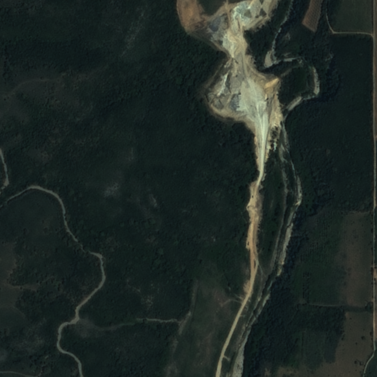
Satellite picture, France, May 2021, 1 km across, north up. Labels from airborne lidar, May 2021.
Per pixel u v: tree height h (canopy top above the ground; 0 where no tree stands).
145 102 7
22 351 12
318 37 6
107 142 5
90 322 0
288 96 14
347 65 8
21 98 7
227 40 0
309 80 7
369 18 0
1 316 0
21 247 8
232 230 9
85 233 6
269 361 7
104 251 8
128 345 6
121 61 8
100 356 6
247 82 0
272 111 0
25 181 13
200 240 10
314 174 15
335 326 9
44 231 6
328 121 6
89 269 7
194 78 8
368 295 0
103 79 8
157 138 6
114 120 6
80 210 8
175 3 7
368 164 6
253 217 0
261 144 0
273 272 5
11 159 11
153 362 7
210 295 0
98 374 6
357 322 0
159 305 7
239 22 0
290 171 6
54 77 0
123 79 6
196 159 9
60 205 7
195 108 14
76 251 11
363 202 10
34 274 7
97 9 6
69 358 7
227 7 0
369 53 7
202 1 0
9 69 9
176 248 10
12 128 11
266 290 10
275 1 0
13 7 7
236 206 9
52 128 8
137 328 7
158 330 12
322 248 9
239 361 0
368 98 7
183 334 0
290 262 8
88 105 6
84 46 9
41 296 9
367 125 6
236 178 13
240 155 15
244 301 0
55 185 10
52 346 9
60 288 13
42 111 5
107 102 11
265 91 0
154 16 6
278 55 9
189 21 0
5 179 8
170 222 13
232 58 0
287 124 10
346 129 6
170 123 7
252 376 7
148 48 6
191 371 0
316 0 0
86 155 9
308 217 7
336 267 0
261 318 15
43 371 11
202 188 6
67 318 10
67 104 7
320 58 15
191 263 11
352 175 7
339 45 8
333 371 0
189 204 9
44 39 6
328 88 13
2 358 0
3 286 0
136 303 7
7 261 0
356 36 7
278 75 6
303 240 16
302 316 8
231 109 0
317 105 5
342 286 0
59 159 6
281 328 9
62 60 6
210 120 16
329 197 9
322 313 9
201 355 0
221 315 0
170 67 13
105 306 6
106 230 7
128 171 6
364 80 7
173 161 7
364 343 0
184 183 9
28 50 9
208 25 0
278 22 14
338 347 0
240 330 0
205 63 18
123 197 5
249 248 0
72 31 6
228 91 0
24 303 10
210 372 0
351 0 0
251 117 0
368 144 7
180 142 7
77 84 7
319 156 8
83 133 9
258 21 0
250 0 0
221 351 0
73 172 5
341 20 0
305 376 0
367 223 0
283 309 9
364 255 0
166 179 6
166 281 7
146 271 8
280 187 13
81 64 8
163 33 12
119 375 9
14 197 6
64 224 8
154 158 6
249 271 0
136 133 7
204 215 7
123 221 8
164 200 7
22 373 0
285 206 0
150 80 11
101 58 10
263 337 8
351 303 0
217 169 11
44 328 6
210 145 10
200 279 0
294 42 7
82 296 7
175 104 8
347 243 0
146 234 8
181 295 8
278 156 9
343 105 6
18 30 6
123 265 6
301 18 12
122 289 8
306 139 6
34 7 7
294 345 10
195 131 7
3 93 0
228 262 5
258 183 0
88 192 7
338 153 10
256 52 11
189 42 16
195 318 0
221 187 13
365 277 0
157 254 14
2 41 11
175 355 0
